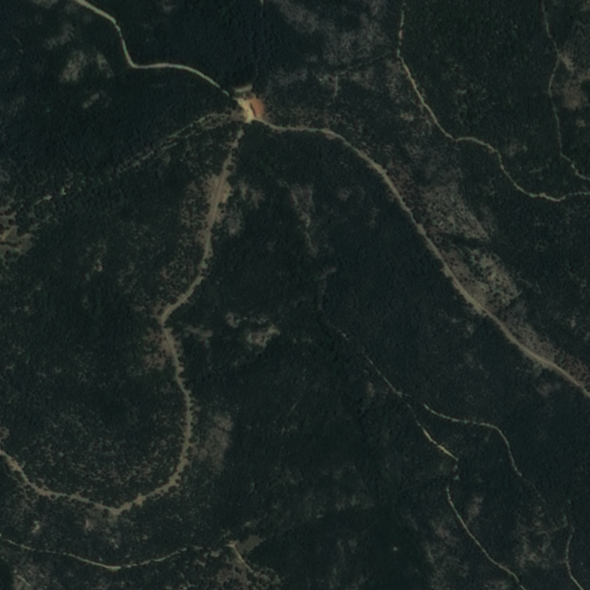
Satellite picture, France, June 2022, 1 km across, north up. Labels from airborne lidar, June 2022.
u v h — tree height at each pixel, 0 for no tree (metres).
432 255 7
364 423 9
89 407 8
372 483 10
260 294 6
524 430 6
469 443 8
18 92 14
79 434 7
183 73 10
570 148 8
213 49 12
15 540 7
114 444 8
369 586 6
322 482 6
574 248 9
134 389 7
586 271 8
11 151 7
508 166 5
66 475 8
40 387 6
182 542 8
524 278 6
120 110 11
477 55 10
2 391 9
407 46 7
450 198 0
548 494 10
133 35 9
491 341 6
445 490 7
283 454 10
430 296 8
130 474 7
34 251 7
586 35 9
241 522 9
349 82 7
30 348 8
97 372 10
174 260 11
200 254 9
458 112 9
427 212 7
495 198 9
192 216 9
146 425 6
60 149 8
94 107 8
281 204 8
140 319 14
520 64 9
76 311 7
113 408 6
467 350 7
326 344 14
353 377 11
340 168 7
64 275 7
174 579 10
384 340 10
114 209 6
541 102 6
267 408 9
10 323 8
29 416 10
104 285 12
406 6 7
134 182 7
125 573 10
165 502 9
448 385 7
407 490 6
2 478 6
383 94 6
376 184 7
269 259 15
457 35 10
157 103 9
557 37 7
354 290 10
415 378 12
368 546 9
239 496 10
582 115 8
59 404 7
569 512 14
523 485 10
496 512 7
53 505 9
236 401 8
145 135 10
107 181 9
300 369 8
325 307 8
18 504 7
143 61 6
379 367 7
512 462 8
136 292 7
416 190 7
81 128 9
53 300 11
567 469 12
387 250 12
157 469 9
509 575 6
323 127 11
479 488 7
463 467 8
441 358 9
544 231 7
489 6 10
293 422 12
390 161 7
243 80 9
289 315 9
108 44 10
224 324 6
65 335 7
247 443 12
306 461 13
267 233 9
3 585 5
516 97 8
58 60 6
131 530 8
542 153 6
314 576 6
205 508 6
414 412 9
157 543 10
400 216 11
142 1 11
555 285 7
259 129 9
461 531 6
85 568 6
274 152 11
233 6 8
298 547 9
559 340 6
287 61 6
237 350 9
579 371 7
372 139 9
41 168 8
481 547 6
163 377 11
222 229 11
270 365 7
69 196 10
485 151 8
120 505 7
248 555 8
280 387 6
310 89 7
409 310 11
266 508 6
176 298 8
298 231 6
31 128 11
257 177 11
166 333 0
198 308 8
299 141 10
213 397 7
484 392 6
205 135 9
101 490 7
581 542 7
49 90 9
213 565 12
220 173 8
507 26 15
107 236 7
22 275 7
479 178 8
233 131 7
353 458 6
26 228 13
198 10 8
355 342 12
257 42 13
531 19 9
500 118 10
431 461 8
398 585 5
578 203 6
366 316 10
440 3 10
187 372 10
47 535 8
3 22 12
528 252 8
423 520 7
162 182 13
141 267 6
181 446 9
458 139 6
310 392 9
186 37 12
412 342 10
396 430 9
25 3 5
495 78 11
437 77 7
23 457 8
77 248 9
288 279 7
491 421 6
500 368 6
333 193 6
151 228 7
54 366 7
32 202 7
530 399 9
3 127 10
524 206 6
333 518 6
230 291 9
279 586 9
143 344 9
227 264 11
